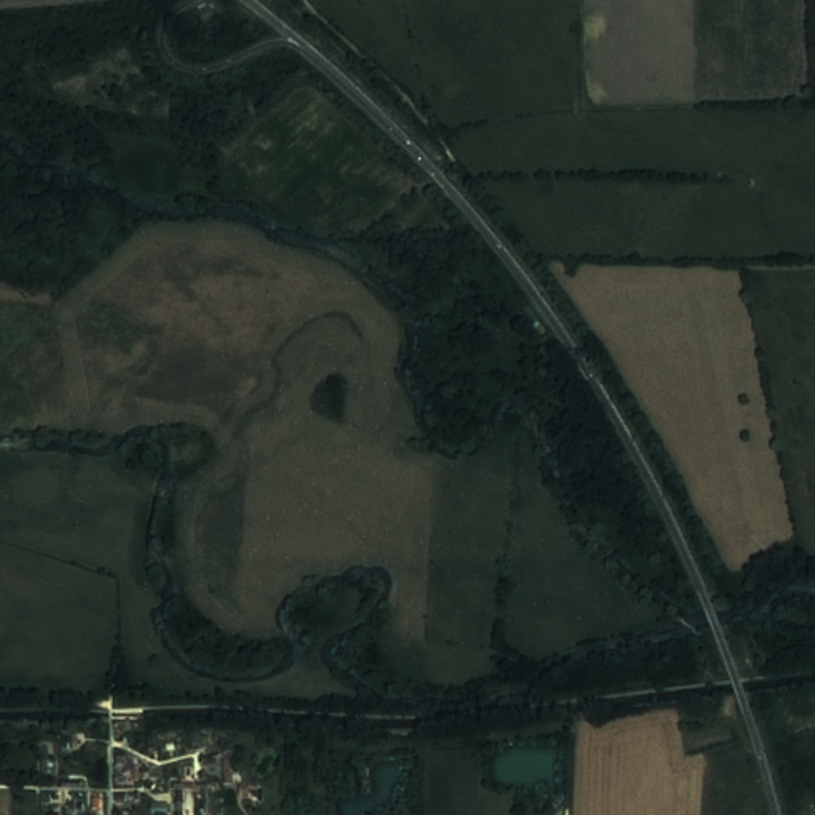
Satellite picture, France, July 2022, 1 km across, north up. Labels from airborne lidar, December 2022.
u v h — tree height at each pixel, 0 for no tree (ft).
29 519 0
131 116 23
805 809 0
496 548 0
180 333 0
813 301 0
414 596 0
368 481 0
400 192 0
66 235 47
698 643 52
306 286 0
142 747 19
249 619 0
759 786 0
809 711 0
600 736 0
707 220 0
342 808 0
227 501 0
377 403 0
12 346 0
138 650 0
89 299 0
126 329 0
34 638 0
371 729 111
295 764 53
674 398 0
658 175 53
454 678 0
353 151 0
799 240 0
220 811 0
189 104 46
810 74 24
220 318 0
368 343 0
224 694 71
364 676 46
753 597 51
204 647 53
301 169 0
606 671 34
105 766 39
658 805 0
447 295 26
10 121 52
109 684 24
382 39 0
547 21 0
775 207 0
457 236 52
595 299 0
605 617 0
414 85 0
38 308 0
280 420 0
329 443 0
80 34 52
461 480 0
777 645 30
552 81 0
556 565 0
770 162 0
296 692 0
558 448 75
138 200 0
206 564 0
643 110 0
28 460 0
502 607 30
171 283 0
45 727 64
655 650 67
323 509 0
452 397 77
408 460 0
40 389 0
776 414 33
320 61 0
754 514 0
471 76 0
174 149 0
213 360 0
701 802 0
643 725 0
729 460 0
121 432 0
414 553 0
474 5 0
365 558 0
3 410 0
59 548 0
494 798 0
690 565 0
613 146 0
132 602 0
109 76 0
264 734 100
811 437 0
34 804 0
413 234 49
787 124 0
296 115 0
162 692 0
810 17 41
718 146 0
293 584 0
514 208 0
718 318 0
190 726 37
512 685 52
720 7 0
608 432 97
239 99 57
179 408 0
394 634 0
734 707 0
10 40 28
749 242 0
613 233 0
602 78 0
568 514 45
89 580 0
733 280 0
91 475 0
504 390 28
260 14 0
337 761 41
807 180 0
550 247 0
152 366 0
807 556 72
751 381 0
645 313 0
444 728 131
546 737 26
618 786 0
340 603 0
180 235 0
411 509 0
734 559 0
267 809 0
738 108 30
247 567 0
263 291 0
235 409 0
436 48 0
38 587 0
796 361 0
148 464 53
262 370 0
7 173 50
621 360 0
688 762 0
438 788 0
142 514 0
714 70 0
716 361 0
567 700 0
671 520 0
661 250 0
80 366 0
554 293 43
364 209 0
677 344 0
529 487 0
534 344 35
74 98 0
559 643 0
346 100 22
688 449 0
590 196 0
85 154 28
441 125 41
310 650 0
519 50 0
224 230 0
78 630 0
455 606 0
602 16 0
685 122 0
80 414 0
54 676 0
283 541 0
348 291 0
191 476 0
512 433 0
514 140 0
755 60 0
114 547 0
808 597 39
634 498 34
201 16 0
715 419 0
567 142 0
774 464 0
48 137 42
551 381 44
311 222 0
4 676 0
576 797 0
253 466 0
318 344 0
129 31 43
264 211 0
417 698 45
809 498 0
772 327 0
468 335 92
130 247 0
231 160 0
